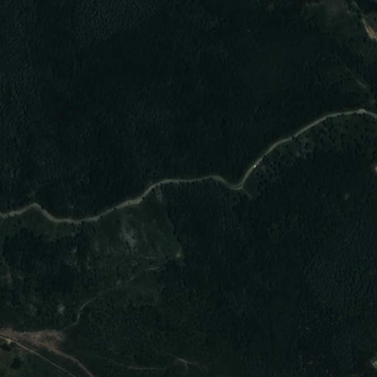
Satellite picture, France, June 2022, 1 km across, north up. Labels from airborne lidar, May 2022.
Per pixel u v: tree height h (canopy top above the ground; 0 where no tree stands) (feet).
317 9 0
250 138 76
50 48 78
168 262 28
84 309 30
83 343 0
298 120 52
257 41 56
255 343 35
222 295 30
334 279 39
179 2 46
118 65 73
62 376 0
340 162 50
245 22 72
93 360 0
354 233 27
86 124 47
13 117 36
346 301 52
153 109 48
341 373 36
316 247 29
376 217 24
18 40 65
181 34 52
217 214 68
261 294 47
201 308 22
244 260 35
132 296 0
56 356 0
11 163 47
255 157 48
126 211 0
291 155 29
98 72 78
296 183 46
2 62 51
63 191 37
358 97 27
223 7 52
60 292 26
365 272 40
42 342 0
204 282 21
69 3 72
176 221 53
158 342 22
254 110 34
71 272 32
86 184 46
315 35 80
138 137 54
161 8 82
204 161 54
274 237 0
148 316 25
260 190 33
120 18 76
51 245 48
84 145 49
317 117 47
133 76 57
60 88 60
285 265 41
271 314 36
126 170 61
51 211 51
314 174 50
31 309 0
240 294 29
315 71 56
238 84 67
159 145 60
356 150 37
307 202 38
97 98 50
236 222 67
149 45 102
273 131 62
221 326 24
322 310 52
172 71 68
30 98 54
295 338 40
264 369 22
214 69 49
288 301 31
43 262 45
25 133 48
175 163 42
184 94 80
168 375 28
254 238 43
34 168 60
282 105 26
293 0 50
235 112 47
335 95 47
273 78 51
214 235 53
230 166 79
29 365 0
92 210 46
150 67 71
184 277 26
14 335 0
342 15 0
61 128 87
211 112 52
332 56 36
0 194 64
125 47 85
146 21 75
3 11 56
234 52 67
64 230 0
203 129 49
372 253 43
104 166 47
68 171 45
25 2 27
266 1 49
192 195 61
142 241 0
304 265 31
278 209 55
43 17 73
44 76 65
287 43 60
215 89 68
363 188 41
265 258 36
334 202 27
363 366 30
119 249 0
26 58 63
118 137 63
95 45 74
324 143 48
